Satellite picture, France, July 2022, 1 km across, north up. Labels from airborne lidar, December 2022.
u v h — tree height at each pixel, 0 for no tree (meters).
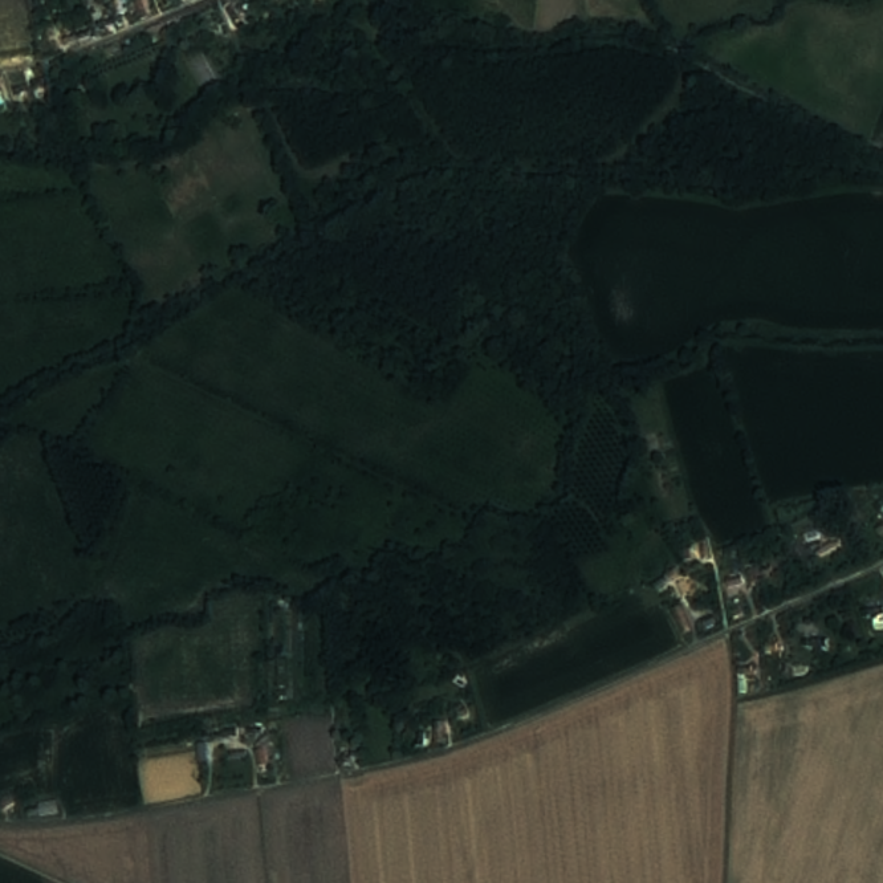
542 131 13
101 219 13
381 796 0
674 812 0
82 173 25
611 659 0
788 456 0
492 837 0
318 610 24
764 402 0
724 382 21
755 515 0
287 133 8
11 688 14
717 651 0
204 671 0
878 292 0
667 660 0
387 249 37
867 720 0
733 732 0
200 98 8
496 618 8
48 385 17
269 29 15
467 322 11
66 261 0
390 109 18
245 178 0
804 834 0
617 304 0
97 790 0
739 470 0
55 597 0
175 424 0
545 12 0
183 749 0
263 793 0
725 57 0
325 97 16
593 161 14
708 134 30
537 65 15
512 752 0
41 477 0
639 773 0
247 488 0
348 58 28
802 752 0
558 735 0
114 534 8
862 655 8
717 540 0
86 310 0
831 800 0
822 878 0
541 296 11
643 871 0
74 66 16
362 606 20
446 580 9
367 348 11
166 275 0
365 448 0
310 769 0
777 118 24
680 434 0
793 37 0
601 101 17
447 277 39
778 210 0
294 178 19
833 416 0
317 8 6
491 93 15
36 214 0
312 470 0
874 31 0
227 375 0
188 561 0
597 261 0
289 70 13
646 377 26
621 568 0
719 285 0
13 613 0
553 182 21
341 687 16
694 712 0
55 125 26
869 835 0
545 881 0
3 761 0
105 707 0
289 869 0
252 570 0
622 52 15
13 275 0
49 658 8
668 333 0
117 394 14
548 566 8
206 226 0
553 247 20
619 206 0
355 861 0
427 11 17
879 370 0
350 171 21
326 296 20
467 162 7
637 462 14
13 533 0
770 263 0
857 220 0
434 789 0
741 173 38
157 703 0
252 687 0
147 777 0
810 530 0
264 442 0
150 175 8
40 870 0
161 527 0
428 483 0
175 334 0
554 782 0
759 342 0
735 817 0
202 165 0
